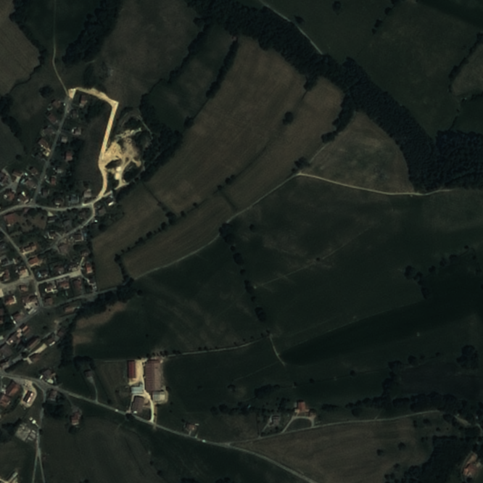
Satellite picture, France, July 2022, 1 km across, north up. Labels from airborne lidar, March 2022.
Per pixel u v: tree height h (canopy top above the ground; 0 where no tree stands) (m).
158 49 0
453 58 0
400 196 0
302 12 0
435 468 18
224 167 0
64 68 0
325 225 0
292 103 0
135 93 0
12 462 0
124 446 0
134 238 0
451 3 0
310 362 0
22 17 19
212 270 0
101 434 0
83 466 0
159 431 0
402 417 0
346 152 0
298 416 0
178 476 0
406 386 0
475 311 0
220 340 0
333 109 0
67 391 0
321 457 0
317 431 0
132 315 0
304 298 0
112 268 0
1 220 0
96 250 0
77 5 0
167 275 0
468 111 0
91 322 0
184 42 0
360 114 0
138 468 0
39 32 0
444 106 0
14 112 0
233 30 18
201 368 0
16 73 0
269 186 0
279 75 0
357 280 0
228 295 0
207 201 0
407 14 0
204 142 0
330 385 0
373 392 0
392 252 0
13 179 0
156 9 0
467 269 0
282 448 0
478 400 0
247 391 0
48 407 11
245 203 0
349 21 0
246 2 0
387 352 0
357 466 0
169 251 0
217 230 0
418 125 22
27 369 0
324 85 0
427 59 0
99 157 0
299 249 0
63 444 0
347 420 0
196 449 0
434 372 0
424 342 0
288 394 0
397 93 0
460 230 0
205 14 7
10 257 0
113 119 0
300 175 0
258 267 0
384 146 0
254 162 0
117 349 0
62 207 0
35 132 0
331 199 0
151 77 0
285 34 15
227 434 0
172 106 0
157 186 0
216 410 12
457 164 7
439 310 0
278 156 0
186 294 0
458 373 0
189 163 0
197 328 0
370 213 0
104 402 0
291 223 0
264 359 0
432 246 0
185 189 0
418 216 0
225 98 0
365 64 0
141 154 0
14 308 0
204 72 0
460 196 0
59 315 0
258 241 0
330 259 0
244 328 0
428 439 6
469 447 21
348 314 0
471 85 0
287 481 0
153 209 0
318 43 0
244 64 0
